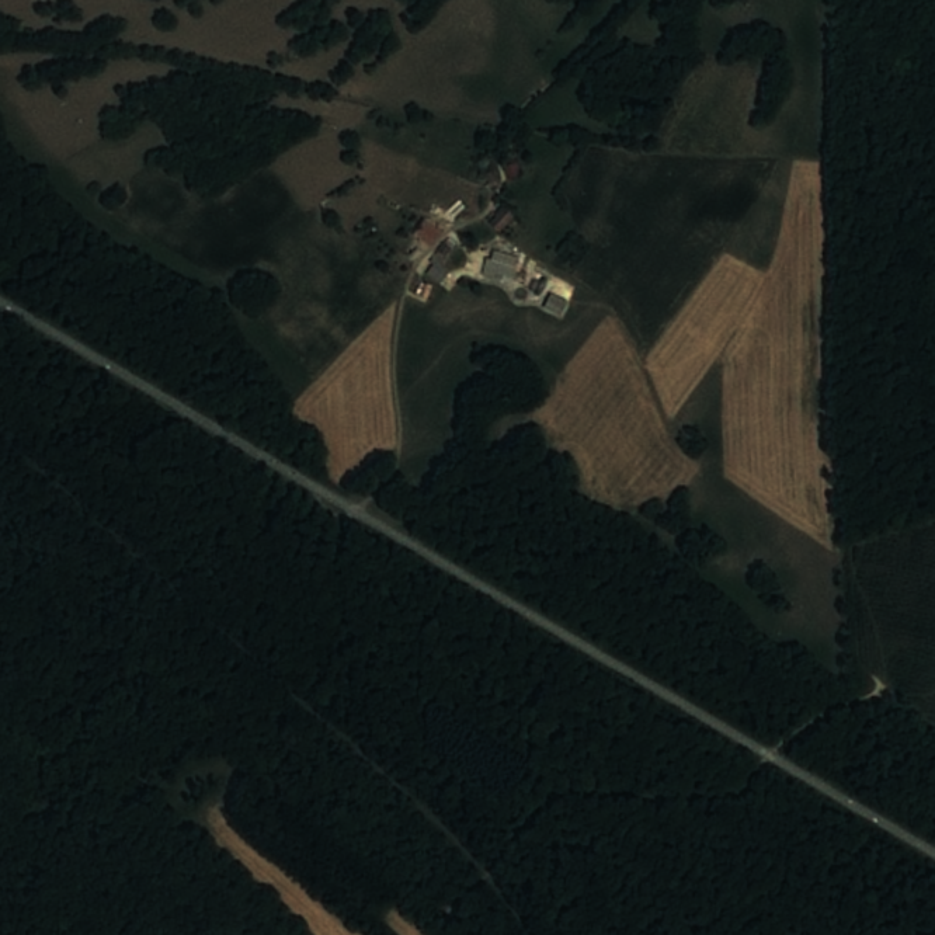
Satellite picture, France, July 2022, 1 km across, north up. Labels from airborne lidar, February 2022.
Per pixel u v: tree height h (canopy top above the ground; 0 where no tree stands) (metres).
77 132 0
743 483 0
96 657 22
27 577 24
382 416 0
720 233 0
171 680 25
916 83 27
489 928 25
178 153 15
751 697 24
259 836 25
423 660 27
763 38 22
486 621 28
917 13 21
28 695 28
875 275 22
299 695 20
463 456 24
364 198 0
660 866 22
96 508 23
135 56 7
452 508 26
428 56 0
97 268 29
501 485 25
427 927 21
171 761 17
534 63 0
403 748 23
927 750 21
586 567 29
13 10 0
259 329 0
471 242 24
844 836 25
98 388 25
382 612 24
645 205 0
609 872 28
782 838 24
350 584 23
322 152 0
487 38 0
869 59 19
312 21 17
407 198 0
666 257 0
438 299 0
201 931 32
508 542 27
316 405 0
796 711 21
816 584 0
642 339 0
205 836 18
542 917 24
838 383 25
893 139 18
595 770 26
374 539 26
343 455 0
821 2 0
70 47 19
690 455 13
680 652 26
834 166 21
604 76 24
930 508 28
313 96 16
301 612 29
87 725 21
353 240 0
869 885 9
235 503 26
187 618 21
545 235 0
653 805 19
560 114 0
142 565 16
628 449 0
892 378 28
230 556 27
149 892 23
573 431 0
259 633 24
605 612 24
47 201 26
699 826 24
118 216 0
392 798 26
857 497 22
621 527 22
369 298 0
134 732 20
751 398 0
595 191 0
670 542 0
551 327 0
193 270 0
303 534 22
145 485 29
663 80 12
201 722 22
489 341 0
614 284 0
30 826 32
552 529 25
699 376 0
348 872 12
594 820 26
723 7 20
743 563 0
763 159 0
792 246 0
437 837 22
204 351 26
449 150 0
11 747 22
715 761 26
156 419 10
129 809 27
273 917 22
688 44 19
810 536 0
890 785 21
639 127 22
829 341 21
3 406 28
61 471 21
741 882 30
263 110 13
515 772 26
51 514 9
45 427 29
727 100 0
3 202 30
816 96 0
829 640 0
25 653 26
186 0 12
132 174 0
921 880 23
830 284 17
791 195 0
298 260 0
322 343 0
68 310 29
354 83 0
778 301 0
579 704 31
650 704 24
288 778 19
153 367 26
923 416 20
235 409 25
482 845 23
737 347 0
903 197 23
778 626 0
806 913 28
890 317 24
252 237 0
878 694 0
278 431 26
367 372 0
